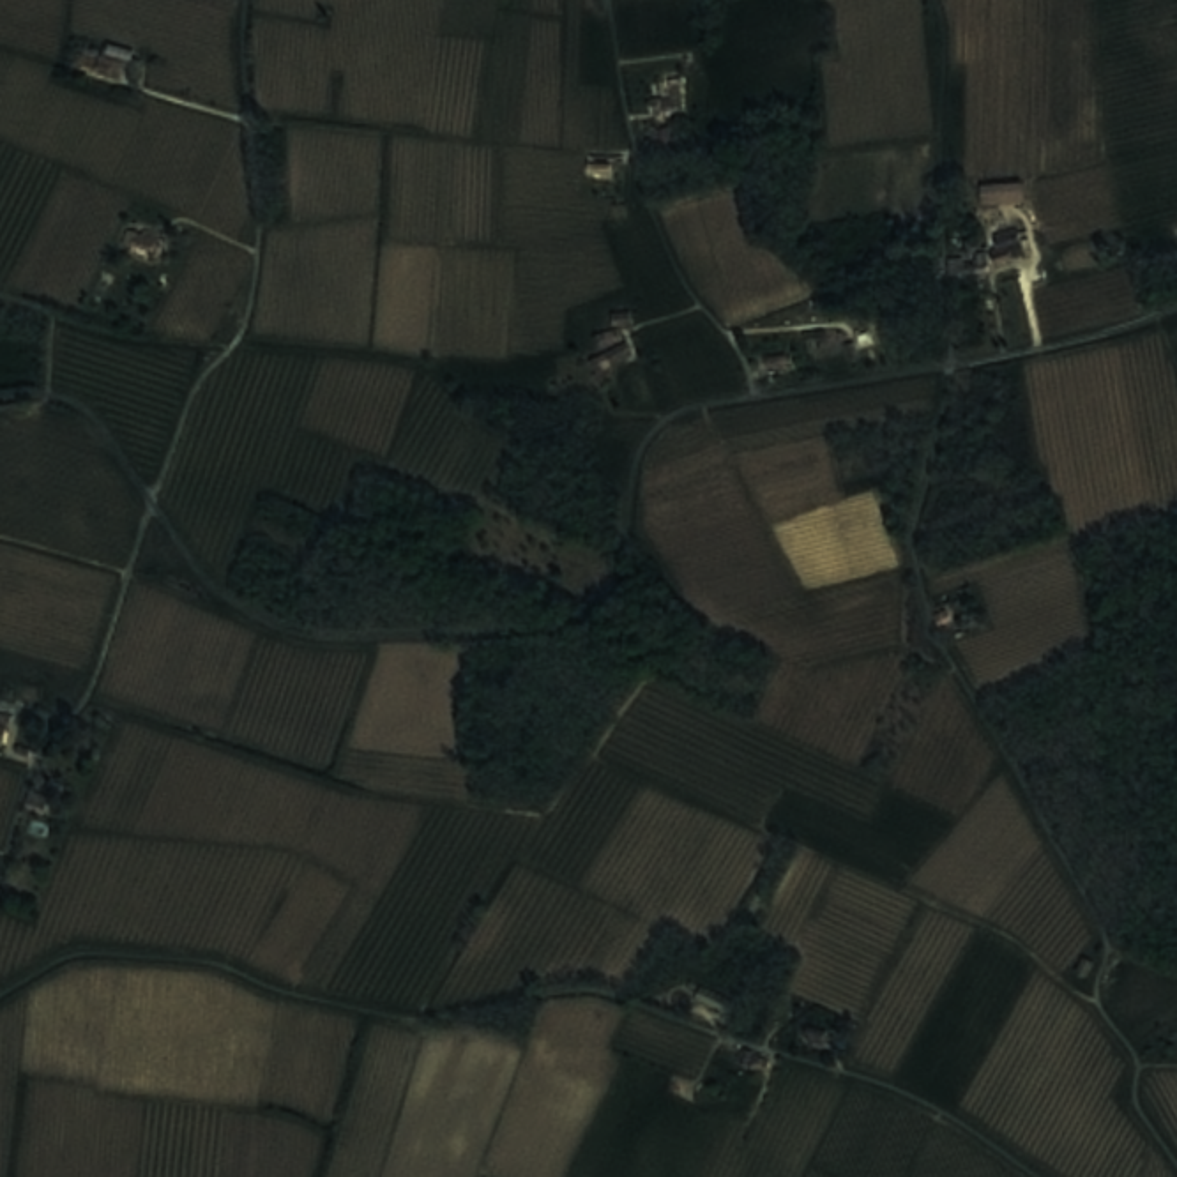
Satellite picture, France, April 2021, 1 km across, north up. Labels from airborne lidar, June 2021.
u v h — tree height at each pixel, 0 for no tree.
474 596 23
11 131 0
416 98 0
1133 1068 0
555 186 0
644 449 0
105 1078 0
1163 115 0
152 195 0
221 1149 0
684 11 0
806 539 0
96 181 0
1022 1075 0
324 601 21
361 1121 0
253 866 0
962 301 17
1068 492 0
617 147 0
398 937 0
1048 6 0
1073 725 19
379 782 0
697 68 0
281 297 0
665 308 0
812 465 0
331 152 0
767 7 0
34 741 11
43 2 0
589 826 0
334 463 0
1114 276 0
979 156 0
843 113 0
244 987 0
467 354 0
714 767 0
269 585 14
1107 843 21
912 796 0
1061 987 0
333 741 0
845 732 0
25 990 0
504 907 0
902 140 0
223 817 0
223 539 0
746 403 0
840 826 0
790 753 0
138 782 0
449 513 22
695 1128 0
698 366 0
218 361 0
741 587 0
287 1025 0
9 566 0
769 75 0
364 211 0
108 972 0
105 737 10
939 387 0
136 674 0
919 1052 0
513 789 16
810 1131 0
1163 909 20
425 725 0
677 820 0
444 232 0
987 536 18
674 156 21
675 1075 0
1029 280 0
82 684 0
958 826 0
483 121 0
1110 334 0
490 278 0
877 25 0
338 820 0
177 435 0
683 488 0
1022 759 17
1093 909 12
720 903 0
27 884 0
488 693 21
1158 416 0
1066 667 17
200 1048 0
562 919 0
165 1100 0
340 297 0
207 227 0
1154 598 24
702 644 24
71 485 0
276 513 11
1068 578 0
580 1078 0
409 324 0
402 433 0
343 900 0
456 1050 0
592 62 0
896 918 0
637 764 0
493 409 15
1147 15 0
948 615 0
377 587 21
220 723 0
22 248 0
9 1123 0
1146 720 21
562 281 0
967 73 0
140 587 0
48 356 8
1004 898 0
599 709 22
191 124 0
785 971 25
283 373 0
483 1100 0
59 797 14
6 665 0
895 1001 0
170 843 0
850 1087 0
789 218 24
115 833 0
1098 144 0
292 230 0
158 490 0
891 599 0
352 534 23
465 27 0
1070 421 0
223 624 0
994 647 0
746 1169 0
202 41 0
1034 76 0
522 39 0
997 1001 0
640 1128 0
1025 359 0
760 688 19
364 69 0
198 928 0
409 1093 0
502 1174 0
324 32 0
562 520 16
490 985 0
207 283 0
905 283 13
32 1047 0
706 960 18
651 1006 11
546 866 0
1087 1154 0
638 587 15
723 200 0
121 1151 0
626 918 0
